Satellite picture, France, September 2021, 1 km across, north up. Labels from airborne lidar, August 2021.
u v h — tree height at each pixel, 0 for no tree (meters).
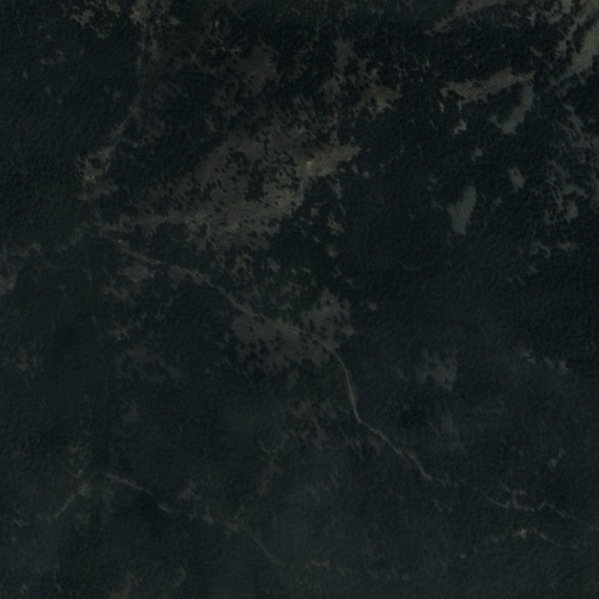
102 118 8
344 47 0
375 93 0
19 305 12
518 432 23
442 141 17
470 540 12
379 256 23
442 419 17
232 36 8
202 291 15
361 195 16
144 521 14
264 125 6
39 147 26
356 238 16
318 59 8
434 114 11
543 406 12
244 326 0
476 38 13
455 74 20
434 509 22
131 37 14
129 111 8
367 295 17
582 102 7
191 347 14
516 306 26
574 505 20
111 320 8
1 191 23
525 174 12
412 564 16
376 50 11
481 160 12
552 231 8
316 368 7
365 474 24
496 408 8
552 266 15
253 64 0
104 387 17
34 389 9
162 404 15
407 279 19
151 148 12
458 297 21
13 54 18
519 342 24
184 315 13
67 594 16
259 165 7
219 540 15
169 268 14
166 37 7
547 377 17
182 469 12
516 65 20
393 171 17
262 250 9
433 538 23
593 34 0
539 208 15
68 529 12
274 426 15
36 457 20
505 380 21
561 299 27
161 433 16
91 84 9
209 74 0
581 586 13
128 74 20
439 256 17
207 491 10
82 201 9
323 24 7
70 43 18
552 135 7
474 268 14
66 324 13
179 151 18
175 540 16
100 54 11
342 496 18
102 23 11
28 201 21
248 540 12
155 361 0
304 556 20
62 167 26
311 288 10
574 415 15
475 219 10
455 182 17
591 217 13
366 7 8
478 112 17
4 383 16
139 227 6
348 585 11
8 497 18
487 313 7
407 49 19
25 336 9
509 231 11
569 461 9
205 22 0
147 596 25
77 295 17
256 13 8
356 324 12
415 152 19
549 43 17
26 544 18
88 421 7
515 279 7
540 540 11
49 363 10
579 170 11
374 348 16
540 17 12
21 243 23
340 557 20
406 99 16
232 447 12
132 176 14
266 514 11
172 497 16
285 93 9
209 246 12
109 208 13
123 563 17
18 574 14
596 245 11
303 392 16
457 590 26
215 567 11
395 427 13
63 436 10
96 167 7
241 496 14
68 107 18
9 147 23
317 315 0
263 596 18
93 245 16
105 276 11
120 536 13
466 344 19
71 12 14
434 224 19
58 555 11
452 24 12
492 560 26
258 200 8
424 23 17
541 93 11
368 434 12
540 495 13
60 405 12
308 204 9
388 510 19
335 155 0
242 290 13
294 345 0
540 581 17
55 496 12
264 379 21
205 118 7
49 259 19
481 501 14
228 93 12
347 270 17
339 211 12
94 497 11
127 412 9
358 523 21
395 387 9
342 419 8
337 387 13
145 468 16
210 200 10
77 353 13
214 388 11
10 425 29
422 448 23
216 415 13
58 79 14
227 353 10
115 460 0
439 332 17
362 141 16
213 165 0
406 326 21
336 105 9
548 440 27
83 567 14
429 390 13
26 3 10
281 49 11
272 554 11
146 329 15
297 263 12
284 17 9
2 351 25
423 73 14
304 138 0
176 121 10
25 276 14
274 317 15
